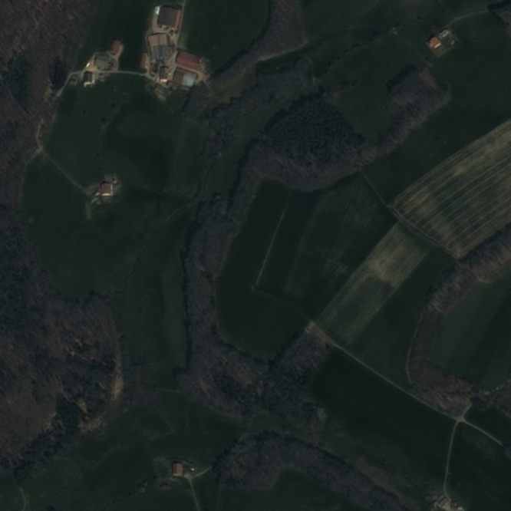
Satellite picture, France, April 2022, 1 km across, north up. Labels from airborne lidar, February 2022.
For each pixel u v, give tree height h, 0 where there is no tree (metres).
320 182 30
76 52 32
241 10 0
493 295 0
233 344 0
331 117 26
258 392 22
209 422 0
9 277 27
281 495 0
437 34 0
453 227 0
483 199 0
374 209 0
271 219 0
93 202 0
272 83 21
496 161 0
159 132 0
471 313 0
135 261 0
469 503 0
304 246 0
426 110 33
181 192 0
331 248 0
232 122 21
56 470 0
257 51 18
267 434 0
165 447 0
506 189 0
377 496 25
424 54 0
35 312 22
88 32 28
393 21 0
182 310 0
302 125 24
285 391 25
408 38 0
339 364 0
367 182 0
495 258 27
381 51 0
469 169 0
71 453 0
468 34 0
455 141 0
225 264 23
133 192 0
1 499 0
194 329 28
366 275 0
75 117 0
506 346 0
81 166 0
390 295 0
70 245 0
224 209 21
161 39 0
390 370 0
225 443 0
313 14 0
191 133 0
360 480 30
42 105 22
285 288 0
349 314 0
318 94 0
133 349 0
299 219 0
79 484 0
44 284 23
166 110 0
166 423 0
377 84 0
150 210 0
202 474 0
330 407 0
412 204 0
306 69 17
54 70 22
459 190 0
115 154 0
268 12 0
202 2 0
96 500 0
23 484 29
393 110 0
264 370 30
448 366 0
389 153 30
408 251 0
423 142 0
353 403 0
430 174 0
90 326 30
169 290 0
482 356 0
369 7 0
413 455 0
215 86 27
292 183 26
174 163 0
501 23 18
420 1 0
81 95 0
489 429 0
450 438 0
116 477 0
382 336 0
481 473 0
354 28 0
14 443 12
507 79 0
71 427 23
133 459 0
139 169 0
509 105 0
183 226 0
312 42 0
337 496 0
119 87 0
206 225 27
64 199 0
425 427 0
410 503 0
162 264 0
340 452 0
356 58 0
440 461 0
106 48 0
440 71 0
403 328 0
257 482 29
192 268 33
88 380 20
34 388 22
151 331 0
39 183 0
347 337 0
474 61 0
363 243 0
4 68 22
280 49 28
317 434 0
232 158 0
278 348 0
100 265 0
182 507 0
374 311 0
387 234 0
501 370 0
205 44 0
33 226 0
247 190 21
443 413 17
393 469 0
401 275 0
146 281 0
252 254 0
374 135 0
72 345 26
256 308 0
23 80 19
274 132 22
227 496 0
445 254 0
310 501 0
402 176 0
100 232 0
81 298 0
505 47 0
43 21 25
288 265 0
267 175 30
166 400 0
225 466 23
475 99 0
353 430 0
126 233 0
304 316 0
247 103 21
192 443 0
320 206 0
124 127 0
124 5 0
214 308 11
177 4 0
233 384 36
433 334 6
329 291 0
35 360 21
